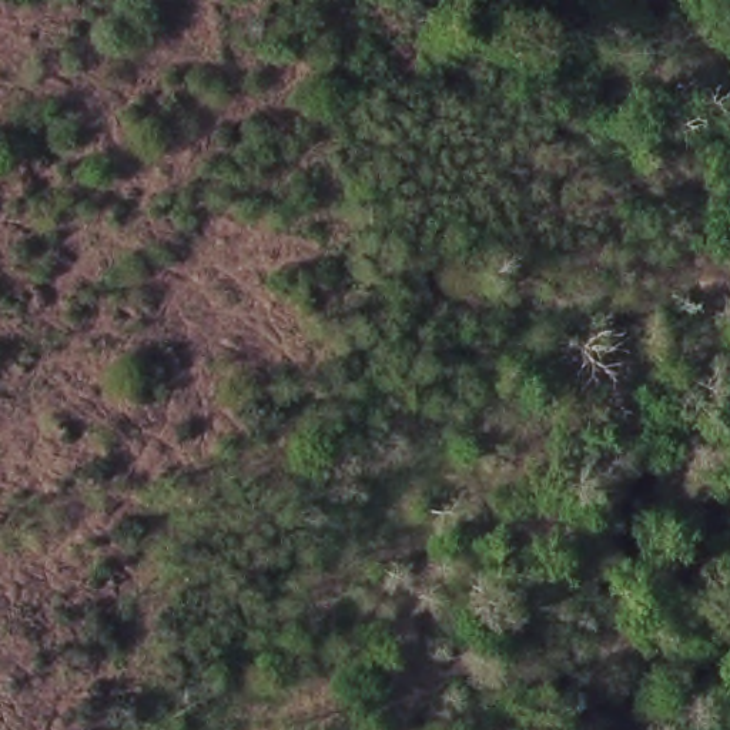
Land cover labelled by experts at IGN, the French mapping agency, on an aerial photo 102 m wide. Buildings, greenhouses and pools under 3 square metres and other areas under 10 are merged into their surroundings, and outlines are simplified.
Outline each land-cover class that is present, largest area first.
<instances>
[{"label":"deciduous trees","instance_id":"1","mask_svg":"<svg viewBox=\"0 0 730 730\"><path fill-rule=\"evenodd\" d=\"M77 6L74 34L91 40L100 51L97 94L114 88L120 77L125 83H134L140 71L131 60L151 46L157 29V11L148 0H71ZM268 6L262 11V31L268 34L262 43H257L254 57L271 66H294L297 60H305L311 66V77L288 86L285 108L257 111L251 120L228 123V128L217 125L214 143L220 154H214L202 165L200 177L205 183V205L211 208V220L234 217L245 228L254 222L259 231L319 240V254L314 259L294 262L265 277V288L288 311H294L299 328L311 336V342L305 345V362L294 365L271 362L259 348H248L245 336H234L228 359L251 379V385L245 391L217 385V402L242 425V431L231 433L220 445L217 456H211L208 462L211 476L200 488L183 490L171 485L165 471L151 485L134 488V502L143 510L163 513L174 528L197 530L194 548L177 542L171 545L177 553V565H188L191 582L185 585L174 607L148 622V627L160 639H174V653L157 659V664L165 673H171L157 701L160 730H185V721H180L171 713L177 696H185V690L214 696L222 687L234 693L248 687L254 696H274L277 684L294 687L299 682L314 679L331 682V701L325 707H314L308 713L294 716V730H730V0H265ZM74 34L57 48L60 68L71 80L80 71V60L74 57L71 43ZM174 97H165L160 91L163 108L171 111L177 100L188 91L208 108H220L228 100V91L220 80L194 71L183 77L174 71ZM11 123L46 128L48 145L57 154H68L77 145V123L71 114H60L54 103H20ZM114 123L123 128L125 148L134 157H140V163L160 160V128H154L151 120L134 111H117ZM108 157L91 154L83 165L77 160H68L60 171L63 185L51 183L48 194L37 197L34 191L23 188V194L14 200V211L29 214V225L37 234L46 237L57 228L60 214L66 211L68 188H77L80 183L91 188L106 185ZM145 217H151L163 228H180L185 234L194 225L191 185H174L171 191H165L163 205H154V211H148ZM9 259L17 257V265L9 274L17 277L20 271H26L29 282L43 285L54 259L31 257L23 242H17L6 251ZM143 277L134 251H128L117 254V259L108 268H103L100 282H77L71 294V311H60V322H74V314L83 305L143 308L145 294H125L123 285ZM177 339H163L137 348V362H117L111 376L117 379V388L125 396L154 402V394L165 385L163 368L157 362L163 354H174ZM108 456H97L88 465L71 468L66 479L77 482L86 505L94 513H106L103 476ZM140 528L128 522H114L108 536L114 539L117 550H123L128 542L137 539ZM83 639L100 644L111 664H128L131 650L120 647L111 627L100 616V605L86 602ZM114 699L106 707V721L120 730H140L137 710L125 701V679H111Z\"/></svg>","mask_w":730,"mask_h":730},{"label":"clear cut","instance_id":"2","mask_svg":"<svg viewBox=\"0 0 730 730\"><path fill-rule=\"evenodd\" d=\"M157 11V29L151 46L131 60L140 71L134 83H125L120 77L114 88L97 94L100 51L91 40L74 34L77 6L71 0H0V528H9L6 505L14 493L34 496V490H43L46 499L43 510L26 519V525L37 536V550H23L14 556L0 553V730H120L106 721V707L114 699L111 679H125V701L137 710L140 730H160L157 701L171 673H165L157 664V659L174 653V639H160L148 627V622L174 607L185 585L191 582L188 565H177V553L171 545L177 542L194 548L197 530L174 528L163 513L143 510L134 502V488L151 485L165 471L171 485L183 490L200 488L211 476L208 462L211 456H217L220 445L231 433L242 431V425L217 402V385L245 391L251 385V379L228 359L234 336H245L248 348H259L271 362L294 365L305 362V345L311 342V336L299 328L294 311H288L265 288V277L294 262L314 259L319 254V240L259 231L254 222L245 228L234 217L211 220V208L205 205V183L200 177L202 165L214 154H220L214 143L217 125L228 128V123L251 120L257 111L285 108L288 86L311 77V66L305 60H297L294 66H271L254 57L257 43H262L268 34L262 31V11L268 6L265 0H148ZM74 34L71 43L74 57L80 60V71L71 80L60 68L57 48ZM174 71L183 77L194 71L220 80L228 91V100L220 108H208L188 91L177 100L171 111L163 108L160 91L165 97H174ZM20 103H54L60 114H71L77 123V145L68 154H57L48 145L46 128L11 123ZM117 111H134L151 120L154 128H160V160L140 163V157H134L125 148L123 128L114 123ZM91 154L108 157L106 185L91 188L80 183L77 188H68L66 211L60 214L57 228L46 237L37 234L29 225V214L14 211V200L23 194V188L34 191L37 197L48 194L51 183L63 185L60 171L68 160H77L83 165ZM174 185H191L194 225L185 234L180 228H163L151 217H145L148 211H154V205H163L165 191H171ZM17 242H23L31 257L54 259L43 285L29 282L26 271H20L17 277L9 274L17 265V257L9 259L6 251ZM128 251H134L143 277L123 285L125 294H145L143 308L83 305L74 314V322H60V311H71V294L77 282H100L103 268H108L117 259V254ZM163 339H177L174 354H163L157 362L163 368L165 385L154 394V402L125 396L117 388V379L111 376L117 362H137V348ZM97 456H108L103 476L106 513H94L86 505L77 482L66 479L71 468L88 465ZM114 522H128L140 528L137 539L128 542L123 550H117L114 539L108 536ZM86 602L100 605V616L111 627L120 647L131 650L128 664H111L100 644L83 639ZM331 682L314 679L299 682L294 687L277 684L274 696H254L248 687L234 693L222 687L214 696L185 690V696H177L171 713L180 721H185V730H294V716L308 713L314 707H325L331 701Z\"/></svg>","mask_w":730,"mask_h":730},{"label":"brushwood","instance_id":"3","mask_svg":"<svg viewBox=\"0 0 730 730\"><path fill-rule=\"evenodd\" d=\"M46 499L43 490H34V496L14 493L6 505L9 528H0V553L14 556L23 550H37V536L26 525V519L43 510Z\"/></svg>","mask_w":730,"mask_h":730}]
</instances>
